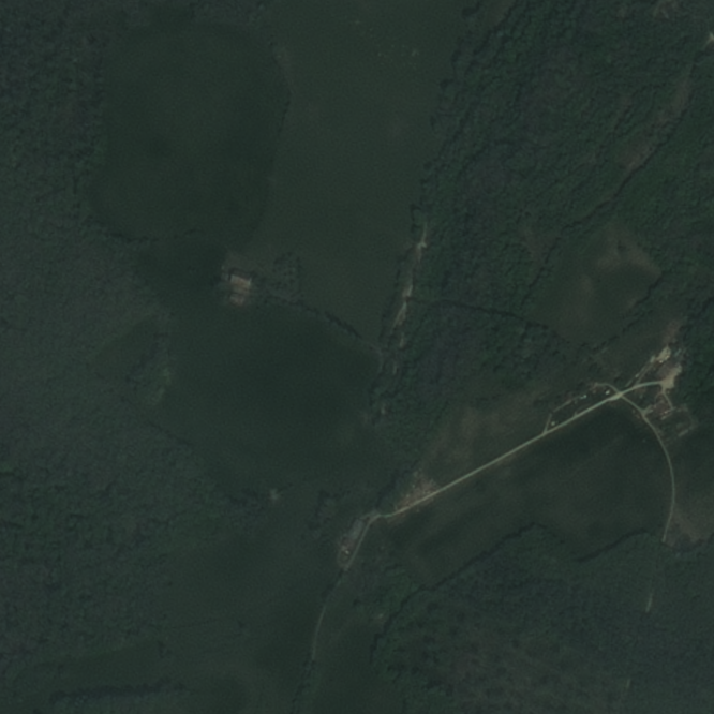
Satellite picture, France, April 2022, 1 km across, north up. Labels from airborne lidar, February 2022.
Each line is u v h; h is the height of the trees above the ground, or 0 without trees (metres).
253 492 0
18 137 30
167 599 0
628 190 15
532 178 13
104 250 28
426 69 0
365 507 0
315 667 13
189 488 29
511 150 21
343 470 0
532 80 15
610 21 15
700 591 16
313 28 0
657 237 16
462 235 7
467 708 0
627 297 0
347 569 0
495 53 11
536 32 10
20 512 31
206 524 25
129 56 0
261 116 0
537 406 9
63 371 29
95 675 0
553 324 0
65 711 24
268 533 0
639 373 0
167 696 18
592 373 6
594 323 0
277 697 0
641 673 21
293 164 0
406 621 19
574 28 16
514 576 28
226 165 0
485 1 8
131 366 0
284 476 0
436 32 0
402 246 0
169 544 21
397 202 0
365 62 0
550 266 11
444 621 28
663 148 10
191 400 0
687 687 21
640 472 0
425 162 0
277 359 0
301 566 0
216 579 0
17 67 28
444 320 20
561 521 0
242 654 0
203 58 0
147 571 20
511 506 0
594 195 12
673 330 0
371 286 0
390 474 0
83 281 31
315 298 0
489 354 15
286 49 0
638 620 27
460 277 13
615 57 21
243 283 0
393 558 8
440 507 0
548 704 0
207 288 0
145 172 0
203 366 0
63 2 20
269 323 0
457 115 7
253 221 0
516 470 0
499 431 0
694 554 16
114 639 27
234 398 0
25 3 20
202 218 0
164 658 14
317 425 0
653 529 0
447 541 0
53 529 27
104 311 31
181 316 0
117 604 32
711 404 8
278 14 0
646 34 9
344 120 0
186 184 0
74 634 29
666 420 0
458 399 12
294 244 0
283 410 0
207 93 0
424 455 13
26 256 24
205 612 0
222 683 0
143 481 31
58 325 28
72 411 26
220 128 0
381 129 0
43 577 31
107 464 30
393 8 0
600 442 0
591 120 12
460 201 12
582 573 19
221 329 0
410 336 9
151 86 0
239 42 0
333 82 0
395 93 0
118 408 28
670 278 19
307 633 0
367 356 0
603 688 26
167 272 0
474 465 0
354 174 0
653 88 9
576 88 19
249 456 0
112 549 31
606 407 0
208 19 14
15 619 28
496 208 18
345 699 0
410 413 17
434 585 0
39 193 26
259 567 0
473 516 0
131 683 0
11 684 21
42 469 32
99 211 0
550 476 0
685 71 12
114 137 0
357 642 0
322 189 0
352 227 0
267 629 0
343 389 0
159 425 0
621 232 0
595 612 23
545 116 23
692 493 0
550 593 28
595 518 0
